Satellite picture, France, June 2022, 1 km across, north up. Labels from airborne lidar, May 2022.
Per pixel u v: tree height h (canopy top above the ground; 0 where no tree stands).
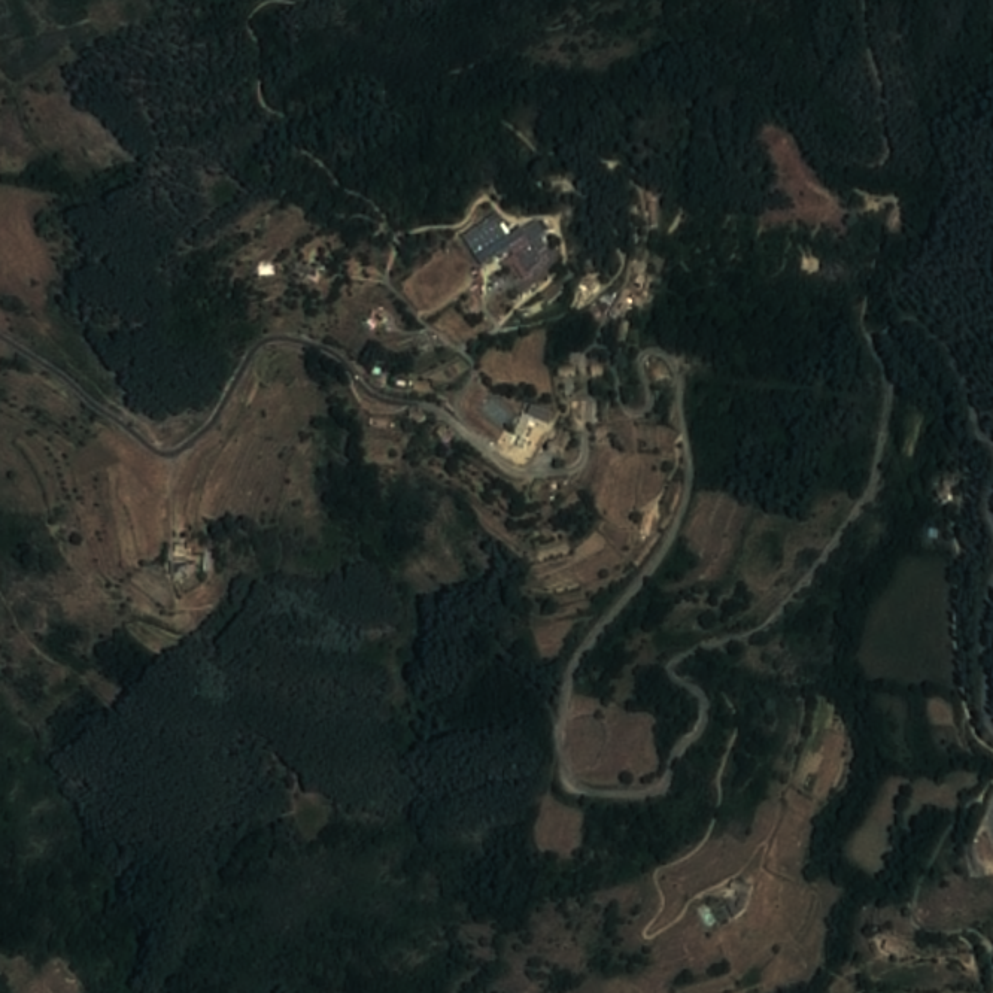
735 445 10
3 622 0
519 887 23
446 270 0
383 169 13
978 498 20
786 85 14
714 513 0
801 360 18
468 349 8
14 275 0
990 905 0
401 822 6
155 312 25
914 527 18
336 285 8
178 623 0
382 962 8
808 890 0
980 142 20
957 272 21
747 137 23
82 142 0
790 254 5
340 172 12
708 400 12
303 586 21
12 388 0
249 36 12
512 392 11
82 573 0
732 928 0
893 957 9
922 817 12
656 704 9
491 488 8
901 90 19
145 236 25
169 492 0
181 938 28
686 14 12
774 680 8
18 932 10
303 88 10
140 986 21
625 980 0
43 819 11
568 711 0
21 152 0
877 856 0
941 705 0
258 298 8
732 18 14
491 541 12
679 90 24
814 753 0
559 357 12
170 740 25
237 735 27
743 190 21
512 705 16
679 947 0
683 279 14
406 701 6
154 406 22
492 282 0
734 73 19
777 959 0
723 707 8
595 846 8
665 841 9
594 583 0
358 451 13
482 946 10
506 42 14
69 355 0
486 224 0
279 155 28
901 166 21
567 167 13
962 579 19
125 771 28
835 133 15
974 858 0
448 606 26
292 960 8
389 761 23
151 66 19
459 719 20
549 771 13
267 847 7
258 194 20
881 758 15
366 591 23
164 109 22
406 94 12
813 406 27
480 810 24
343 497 10
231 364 9
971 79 11
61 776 16
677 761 14
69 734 11
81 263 7
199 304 15
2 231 0
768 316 13
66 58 0
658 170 21
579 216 9
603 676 15
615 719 0
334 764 27
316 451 0
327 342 13
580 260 7
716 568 0
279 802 26
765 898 0
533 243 0
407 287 0
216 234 20
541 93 15
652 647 0
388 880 6
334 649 22
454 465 12
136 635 0
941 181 15
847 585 18
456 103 19
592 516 11
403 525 6
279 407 0
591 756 0
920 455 16
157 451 0
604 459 0
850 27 13
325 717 21
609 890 0
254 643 26
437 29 15
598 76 11
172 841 27
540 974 9
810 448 30
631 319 13
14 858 8
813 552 9
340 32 10
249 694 25
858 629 9
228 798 26
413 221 9
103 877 9
